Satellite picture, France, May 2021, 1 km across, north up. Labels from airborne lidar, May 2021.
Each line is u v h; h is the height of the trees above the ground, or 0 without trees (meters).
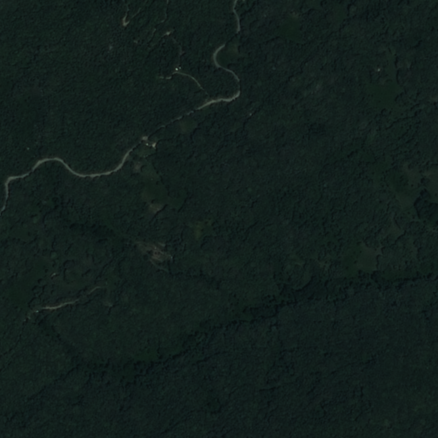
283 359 15
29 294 0
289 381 15
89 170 7
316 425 10
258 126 13
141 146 13
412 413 16
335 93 13
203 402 16
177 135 9
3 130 10
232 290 15
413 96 13
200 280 17
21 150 7
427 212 21
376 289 21
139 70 10
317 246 14
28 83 10
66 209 14
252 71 12
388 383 17
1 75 12
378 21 14
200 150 14
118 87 11
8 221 12
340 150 7
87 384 13
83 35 6
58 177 8
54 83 13
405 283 14
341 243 11
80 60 10
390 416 11
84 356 17
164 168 14
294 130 17
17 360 11
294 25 0
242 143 10
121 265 12
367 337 17
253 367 14
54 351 16
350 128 13
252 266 13
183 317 14
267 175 15
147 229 11
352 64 15
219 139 15
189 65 6
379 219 16
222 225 12
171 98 10
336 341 14
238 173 10
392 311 22
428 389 17
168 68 12
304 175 11
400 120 9
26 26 12
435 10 14
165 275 24
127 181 11
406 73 11
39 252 11
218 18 10
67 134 9
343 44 7
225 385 14
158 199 8
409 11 15
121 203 14
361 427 9
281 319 22
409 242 11
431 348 17
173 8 11
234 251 16
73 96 10
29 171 8
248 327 18
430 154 15
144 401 19
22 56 10
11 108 10
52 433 13
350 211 13
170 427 8
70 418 17
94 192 14
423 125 16
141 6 7
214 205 15
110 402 22
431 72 14
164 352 18
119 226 10
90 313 17
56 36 10
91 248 16
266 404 16
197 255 13
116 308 15
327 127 16
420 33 18
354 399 14
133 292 12
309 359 9
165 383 16
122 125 12
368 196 10
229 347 14
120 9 11
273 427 17
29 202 17
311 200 8
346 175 7
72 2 11
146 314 12
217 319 18
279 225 14
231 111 14
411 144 15
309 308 19
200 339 14
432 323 21
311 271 14
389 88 0
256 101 14
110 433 15
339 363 15
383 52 12
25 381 11
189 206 16
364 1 12
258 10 16
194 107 10
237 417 7
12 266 13
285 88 17
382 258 13
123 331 14
